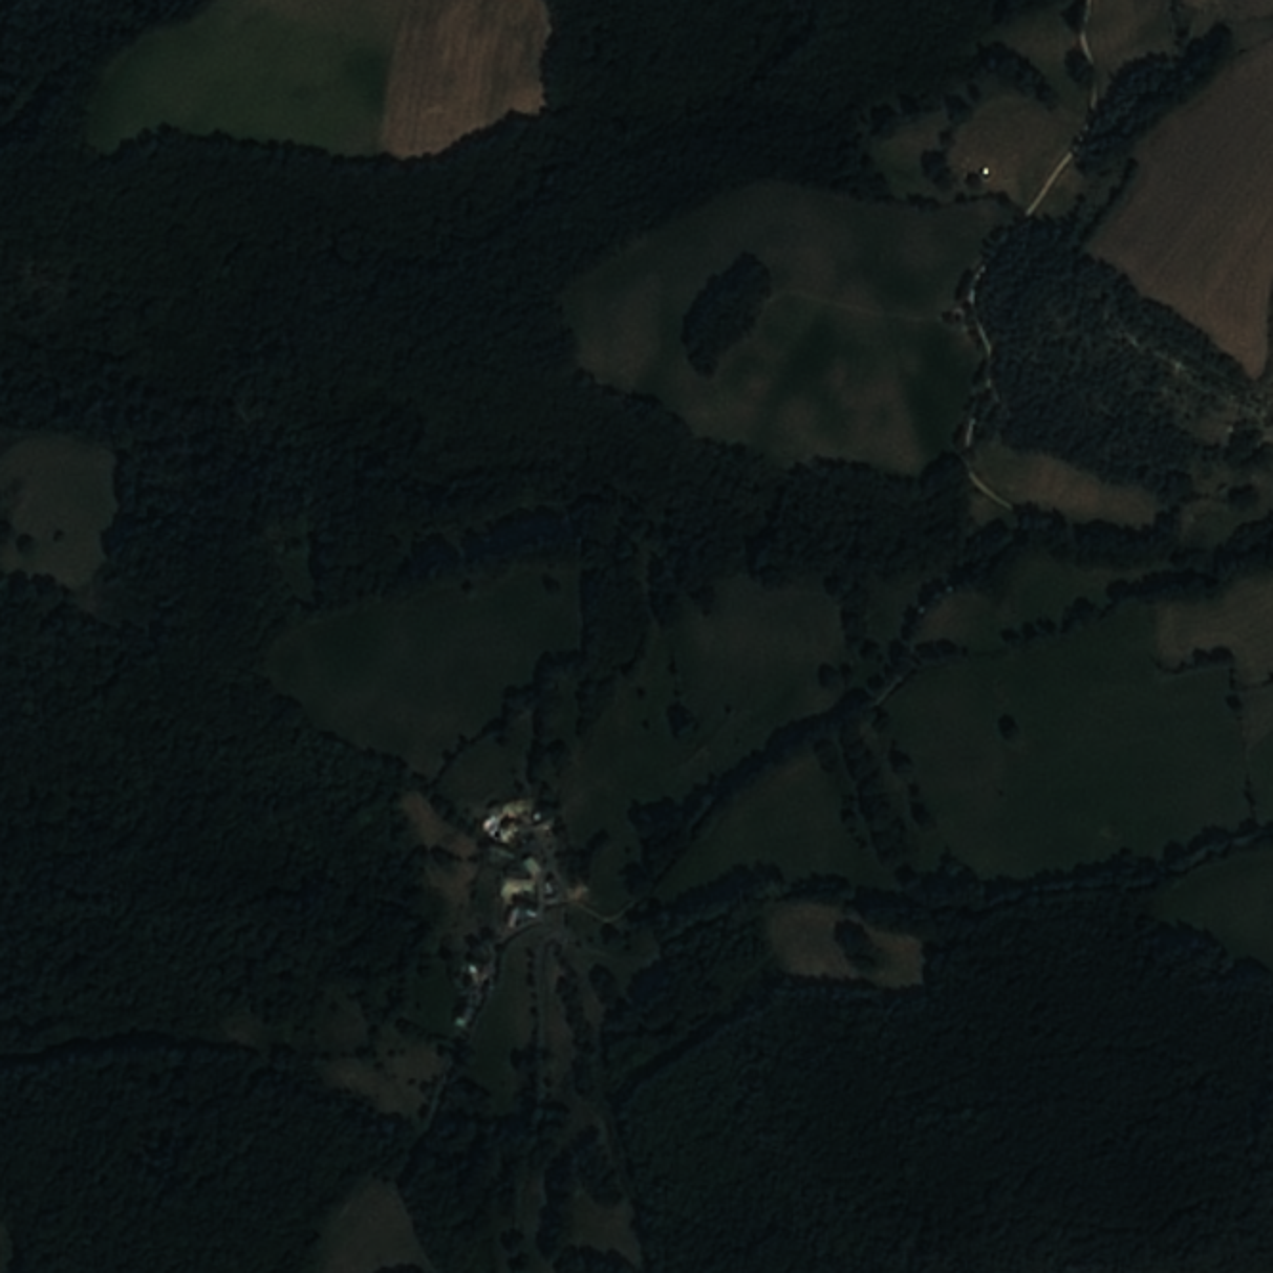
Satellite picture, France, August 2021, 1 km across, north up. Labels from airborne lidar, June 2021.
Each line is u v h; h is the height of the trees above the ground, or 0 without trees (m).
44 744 20
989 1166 13
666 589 18
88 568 0
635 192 17
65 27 18
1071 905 12
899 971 0
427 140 0
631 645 20
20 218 23
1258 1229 10
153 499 14
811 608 0
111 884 19
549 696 17
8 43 16
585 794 0
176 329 16
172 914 23
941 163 10
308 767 6
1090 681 0
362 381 24
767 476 11
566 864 7
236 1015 15
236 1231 25
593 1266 18
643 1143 14
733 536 27
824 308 0
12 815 23
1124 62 0
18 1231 20
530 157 16
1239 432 8
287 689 0
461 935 0
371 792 6
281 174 20
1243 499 16
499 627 0
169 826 21
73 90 20
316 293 19
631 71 20
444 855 10
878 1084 14
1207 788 0
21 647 15
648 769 0
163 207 24
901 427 0
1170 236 0
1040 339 6
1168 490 13
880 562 20
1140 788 0
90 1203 19
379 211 23
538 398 18
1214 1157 14
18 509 0
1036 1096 15
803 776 0
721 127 14
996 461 0
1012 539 20
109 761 17
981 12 25
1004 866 0
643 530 21
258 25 0
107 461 0
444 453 18
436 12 0
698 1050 12
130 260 21
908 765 14
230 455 21
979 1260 12
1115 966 16
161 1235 23
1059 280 10
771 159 13
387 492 29
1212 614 0
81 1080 23
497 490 30
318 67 0
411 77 0
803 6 15
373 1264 0
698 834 9
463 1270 13
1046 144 0
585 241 18
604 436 23
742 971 10
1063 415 11
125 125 0
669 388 0
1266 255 0
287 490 22
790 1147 21
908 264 0
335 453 24
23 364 17
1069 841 0
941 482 19
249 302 28
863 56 25
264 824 24
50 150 24
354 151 0
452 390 21
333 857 23
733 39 21
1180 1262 8
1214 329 0
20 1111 22
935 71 17
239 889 29
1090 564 15
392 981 11
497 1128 11
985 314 9
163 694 20
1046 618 0
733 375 0
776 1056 14
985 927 20
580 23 25
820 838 0
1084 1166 13
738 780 10
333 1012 7
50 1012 33
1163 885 20
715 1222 18
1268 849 11
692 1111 16
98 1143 23
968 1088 15
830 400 0
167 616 20
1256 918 0
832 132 19
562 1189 20
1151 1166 15
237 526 19
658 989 16
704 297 0
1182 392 8
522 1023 0
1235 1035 15
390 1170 13
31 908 33
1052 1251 10
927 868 0
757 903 15
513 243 23
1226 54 14
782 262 0
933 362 0
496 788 0
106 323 23
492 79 0
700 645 0
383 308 22
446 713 0
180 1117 25
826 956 0
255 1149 21
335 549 27
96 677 18
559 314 17
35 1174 21
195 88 0
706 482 15
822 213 0
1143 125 10
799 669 0
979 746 0
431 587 17
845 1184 16
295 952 18
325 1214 15
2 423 10
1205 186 0
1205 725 0
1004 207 13
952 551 26
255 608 18
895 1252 20
